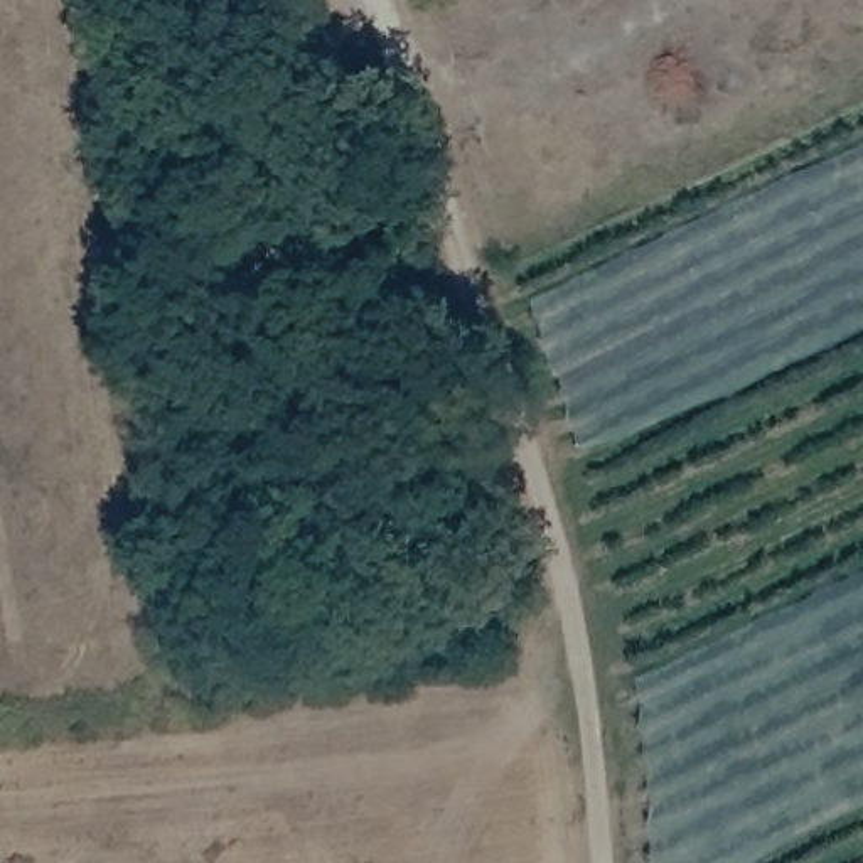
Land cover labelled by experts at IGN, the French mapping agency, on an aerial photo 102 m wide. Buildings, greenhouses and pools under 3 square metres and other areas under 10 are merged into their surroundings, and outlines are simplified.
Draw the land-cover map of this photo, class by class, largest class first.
<instances>
[{"label":"deciduous trees","instance_id":"1","mask_svg":"<svg viewBox=\"0 0 863 863\"><path fill-rule=\"evenodd\" d=\"M337 13L327 7V0H61V24L71 30L67 51L78 61V78L71 84L78 162L88 189L94 192V202L105 206V219L115 233L111 263L94 273L91 327L98 330V337L84 357L111 391V425L118 428L125 455L158 448L155 462L138 469L131 492L135 516L111 529L105 543L111 553V570L128 580V590L142 603L131 617V637L145 664L169 667L172 678L162 688V694L192 711L196 732L222 728L236 715L270 718L293 705L340 708L354 698H367L394 705L405 701L418 684H499L519 667L516 630L526 617L539 614L549 603V590L543 583V563L549 560L546 512L523 506L526 475L516 465L519 442L509 435V425L492 418V408H516L519 418H536L539 394L536 388L512 384V361L499 351V334L485 320H452L448 300L432 303L421 287L408 290V297H388L381 290L391 266L408 263L421 270H438L445 263V199L452 158L445 118L425 91L428 71L421 64H405V57H401L388 67H364L357 74H347L337 71V64L327 57L307 54L303 40ZM374 226L384 229V246L367 253L364 260H354L344 273L273 270L266 280H260L256 297L209 293V283H219L226 270L236 266L256 243L310 236L317 246L330 249L371 233ZM519 300L499 310V317L529 344H536L546 361V371L560 378V391L543 401L553 408L573 401L576 411L590 415L593 421L590 428L576 432V445L587 458L566 462L560 482L553 485L573 546V566L580 576L587 573L590 580H614L607 597L630 603V637L624 641V657L630 671L624 674V688L641 694V708H630V721H641L644 772H657L664 779V785L647 789L654 802L641 806V819H647L651 836L641 843V856L634 863H863V111L839 118L829 128H819L792 142L789 148H779L745 165L735 175L681 189L667 202L651 206L627 222L597 229L570 249L553 253L543 263H533L516 276Z\"/></svg>","mask_w":863,"mask_h":863},{"label":"agricultural land","instance_id":"2","mask_svg":"<svg viewBox=\"0 0 863 863\"><path fill-rule=\"evenodd\" d=\"M71 30L61 24V0H0V694L10 691L51 698L67 688H115L138 674V667L145 664L131 637V617L142 603L128 590V580L111 570V553L105 543L111 529L135 516L131 492L115 489L125 469V455L118 428L111 425V391L84 357L98 337V330L91 327L94 273L111 263L115 233L105 219V206L94 202V192L88 189L78 162L71 84L78 78V61L67 51ZM553 708L539 694L509 698L499 684H418L405 701L394 705L367 698H354L340 708L293 705L270 718L236 715L222 728L196 732L138 735L125 742H44L37 748L0 752V863H593L587 819L570 823L573 775L563 755V742L556 735L546 738L536 732Z\"/></svg>","mask_w":863,"mask_h":863},{"label":"herbaceous vegetation","instance_id":"3","mask_svg":"<svg viewBox=\"0 0 863 863\"><path fill-rule=\"evenodd\" d=\"M327 7L337 13L303 40L307 54L327 57L337 64V71L347 74H357L364 67H388L401 57L384 54L381 30L361 10V0H327ZM394 30H405L408 40L405 57V64H421L428 71L425 91L445 118L452 158L445 199L469 206L465 239L482 253L475 260V270L489 276V290L499 310L519 300L516 276L533 263H543L553 253L570 249L597 229L627 222L651 206L667 202L681 189L735 175L745 165L779 148H789L792 142L819 128H829L839 118L863 111V0H394ZM384 246V229L374 226L371 233L330 249L317 246L310 236L256 243L236 266L226 270L219 283H209V293L256 297L260 280H266L273 270L344 273L354 260H364L367 253ZM462 276L452 273L445 263L438 270H421L408 263L391 266L381 290L388 297H408V290L421 287L432 303L448 300L452 320H465V307L455 297V283ZM499 334V351L512 361V384L536 388L539 394L536 418L539 425L533 438L543 445V465L553 485L560 482L566 462L587 458L576 445V432L590 428L593 421L590 415L576 411L573 401L553 408L543 401L560 391V378L546 371V361L536 344H529L499 317L492 327ZM158 448L125 455V469L115 489L131 492L138 469L155 462ZM614 580H590L587 573L580 576V600L593 654L610 785V863H634L641 856V843L651 836L647 819H641V806L654 802L647 789L664 785V779L657 772H644L641 721H630V708H641V694L624 688V674L630 671L624 657V641L630 637V603L607 597ZM519 667L499 684L509 698L539 694L553 708L536 732L546 738L556 735L563 742V755L573 775L570 823L587 819L580 715L573 698L560 610L549 603L539 614L526 617L516 630Z\"/></svg>","mask_w":863,"mask_h":863},{"label":"pervious surface","instance_id":"4","mask_svg":"<svg viewBox=\"0 0 863 863\"><path fill-rule=\"evenodd\" d=\"M361 10L381 30L384 54L401 57H405L408 40L405 30H394V0H361ZM469 206L445 199V263L452 273L462 276L455 283V297L465 307V320H485L492 327L499 317V310L489 290V276L475 270V260L482 253L465 239ZM492 418L509 425V435L519 442L516 465L526 475L523 506L546 512L549 560L543 563V583L549 590V603L560 610L573 698L580 715L587 819L593 863H610V785L593 654L580 600V576L573 566V546L553 485L543 465V445L533 438L539 425L536 418H519L516 408H492Z\"/></svg>","mask_w":863,"mask_h":863},{"label":"brushwood","instance_id":"5","mask_svg":"<svg viewBox=\"0 0 863 863\"><path fill-rule=\"evenodd\" d=\"M172 678L169 667L145 664L138 667V674L115 688H67L51 698L10 691L0 694V752L37 748L44 742H125L138 735L196 732L192 711L162 694V688Z\"/></svg>","mask_w":863,"mask_h":863}]
</instances>
